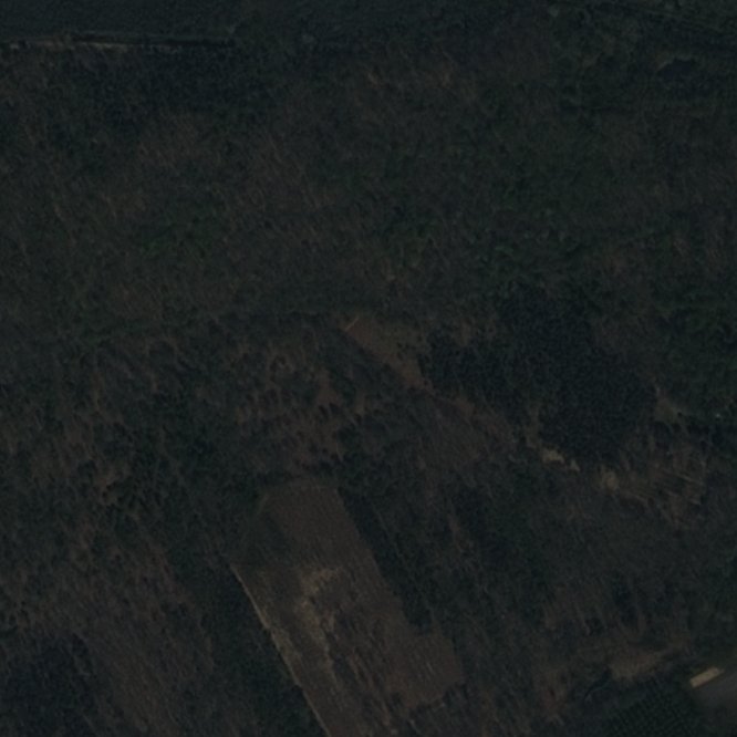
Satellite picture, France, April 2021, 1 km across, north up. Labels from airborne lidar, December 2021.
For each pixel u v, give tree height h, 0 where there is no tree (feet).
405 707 77
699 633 73
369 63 62
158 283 70
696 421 25
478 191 85
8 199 59
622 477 86
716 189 61
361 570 0
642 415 72
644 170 70
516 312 54
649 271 73
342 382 64
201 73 54
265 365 80
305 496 0
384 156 84
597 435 65
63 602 64
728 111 27
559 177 88
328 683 0
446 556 68
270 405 81
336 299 59
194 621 48
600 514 69
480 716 82
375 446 53
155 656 64
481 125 81
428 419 80
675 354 76
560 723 0
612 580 82
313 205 71
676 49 47
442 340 66
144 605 41
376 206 82
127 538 47
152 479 78
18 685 81
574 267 73
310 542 0
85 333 72
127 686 66
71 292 68
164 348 52
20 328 71
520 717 85
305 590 0
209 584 66
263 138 60
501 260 69
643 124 55
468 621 64
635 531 67
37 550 67
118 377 68
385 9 22
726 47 69
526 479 66
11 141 75
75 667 72
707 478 83
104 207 84
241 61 52
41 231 71
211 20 41
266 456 74
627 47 75
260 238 80
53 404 77
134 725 69
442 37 54
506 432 71
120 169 84
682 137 24
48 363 72
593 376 76
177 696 72
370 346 0
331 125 73
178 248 63
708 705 0
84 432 53
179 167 78
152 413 76
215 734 74
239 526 67
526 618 68
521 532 63
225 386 66
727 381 68
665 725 73
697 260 76
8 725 83
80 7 41
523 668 82
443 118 78
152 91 86
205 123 48
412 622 75
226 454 76
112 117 48
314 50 69
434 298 68
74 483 60
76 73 49
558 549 71
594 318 51
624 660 0
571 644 76
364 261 72
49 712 90
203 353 67
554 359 58
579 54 47
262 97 70
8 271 79
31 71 65
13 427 56
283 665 59
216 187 77
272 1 54
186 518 73
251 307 55
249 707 69
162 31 34
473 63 71
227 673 70
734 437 78
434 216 77
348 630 75
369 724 68
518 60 70
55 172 72
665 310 74
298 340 63
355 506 77
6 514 64
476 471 67
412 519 59
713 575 87
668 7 73
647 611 87
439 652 0
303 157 78
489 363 67
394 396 47
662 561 74
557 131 81
